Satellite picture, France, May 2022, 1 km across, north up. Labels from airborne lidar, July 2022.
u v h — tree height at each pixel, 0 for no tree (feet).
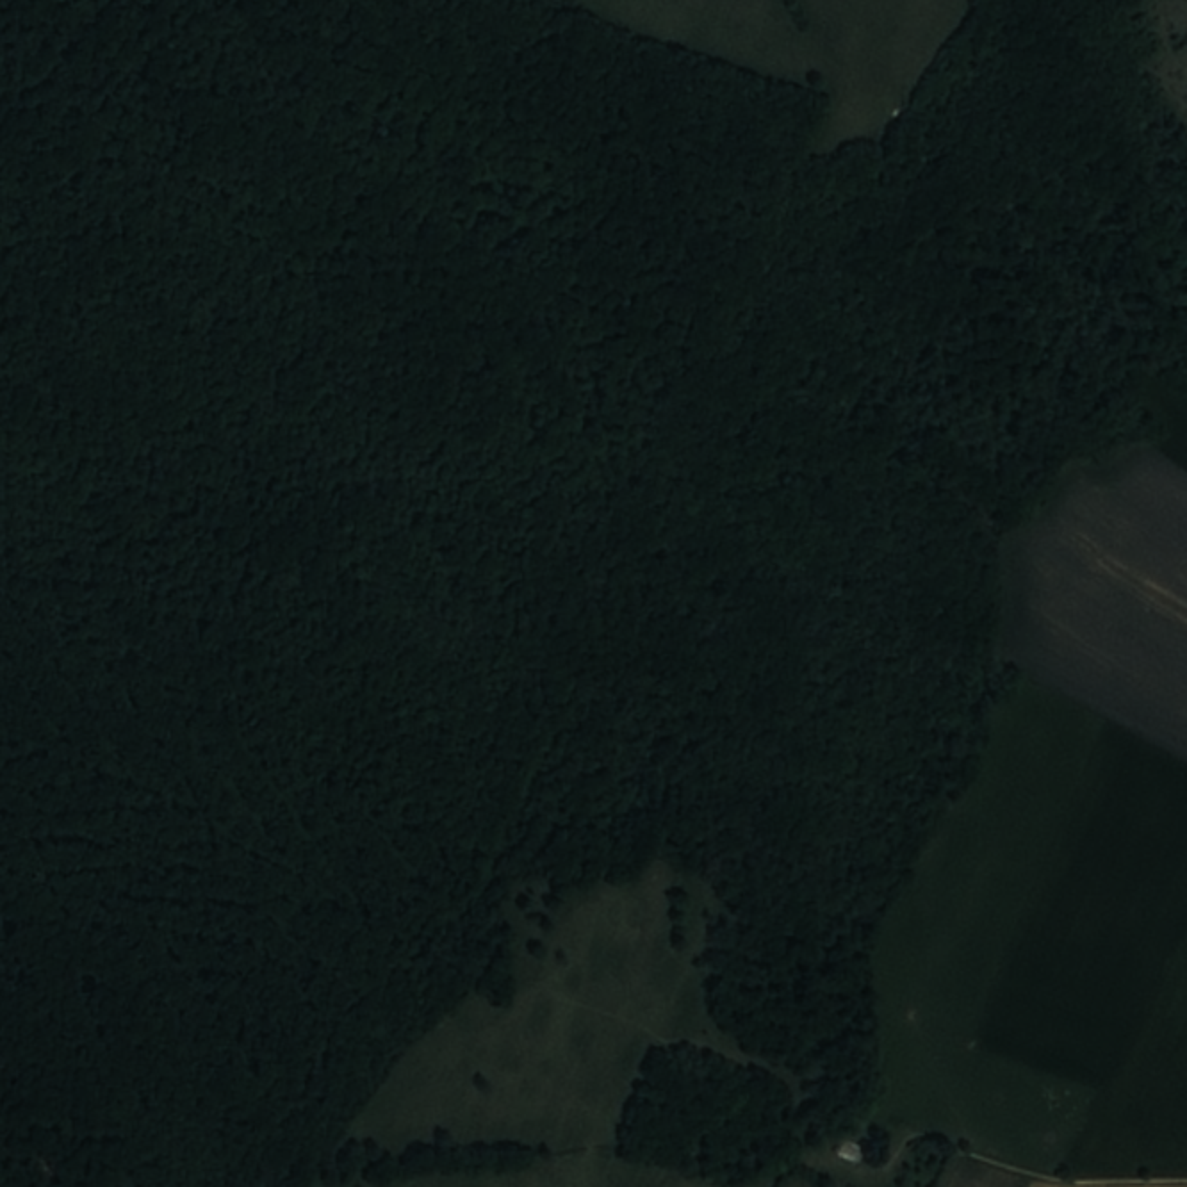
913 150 59
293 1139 71
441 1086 0
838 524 60
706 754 69
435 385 80
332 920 68
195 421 56
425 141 73
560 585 69
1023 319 86
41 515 54
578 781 64
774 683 82
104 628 53
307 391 62
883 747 50
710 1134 62
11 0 71
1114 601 0
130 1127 61
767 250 50
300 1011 68
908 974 0
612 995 0
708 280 75
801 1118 59
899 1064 0
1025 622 0
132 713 55
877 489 63
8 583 59
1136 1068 0
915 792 51
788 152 48
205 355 52
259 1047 65
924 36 0
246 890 54
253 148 64
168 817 59
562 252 72
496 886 63
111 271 57
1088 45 74
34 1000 75
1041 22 85
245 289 54
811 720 67
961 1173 0
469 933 50
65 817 64
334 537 67
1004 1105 0
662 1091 61
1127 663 0
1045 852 0
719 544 90
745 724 67
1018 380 88
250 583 58
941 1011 0
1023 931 0
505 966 81
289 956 61
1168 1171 0
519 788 63
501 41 73
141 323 49
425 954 62
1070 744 0
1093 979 0
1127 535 0
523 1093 0
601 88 71
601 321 77
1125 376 84
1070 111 94
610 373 71
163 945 70
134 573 59
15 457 50
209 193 49
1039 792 0
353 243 67
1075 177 82
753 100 57
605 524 66
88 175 60
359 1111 56
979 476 103
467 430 67
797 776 73
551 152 67
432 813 54
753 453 96
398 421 68
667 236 79
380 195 78
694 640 57
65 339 53
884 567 55
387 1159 61
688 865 73
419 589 56
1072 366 89
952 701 63
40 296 60
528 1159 58
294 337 56
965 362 96
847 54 0
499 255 73
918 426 69
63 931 79
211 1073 67
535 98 82
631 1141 66
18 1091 82
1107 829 0
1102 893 0
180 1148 57
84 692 63
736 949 58
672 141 73
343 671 46
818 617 55
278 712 44
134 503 55
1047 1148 0
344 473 60
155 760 59
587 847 89
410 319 65
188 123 68
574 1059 0
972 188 87
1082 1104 0
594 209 78
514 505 46
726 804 71
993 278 91
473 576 59
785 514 93
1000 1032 0
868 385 41
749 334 67
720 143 63
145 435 57
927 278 88
